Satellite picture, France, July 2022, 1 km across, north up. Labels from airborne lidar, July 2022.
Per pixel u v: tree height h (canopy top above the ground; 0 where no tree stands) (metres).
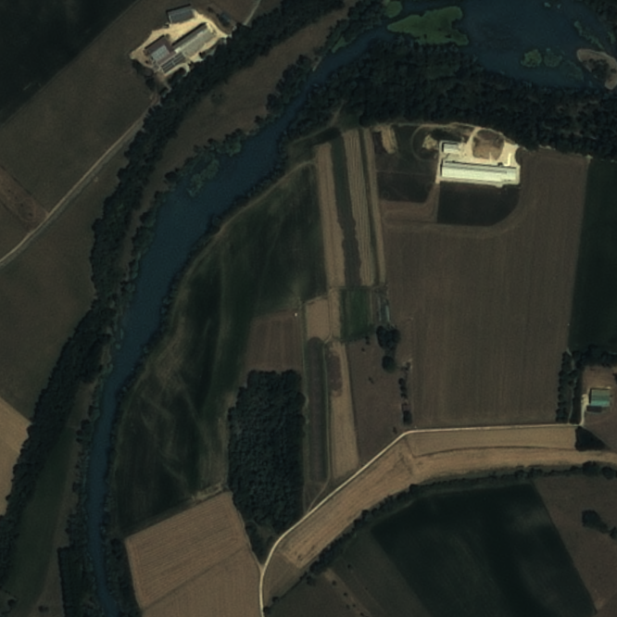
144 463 0
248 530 10
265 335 0
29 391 0
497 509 0
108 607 0
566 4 0
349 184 0
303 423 16
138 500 0
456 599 0
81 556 16
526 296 0
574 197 0
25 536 0
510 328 0
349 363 0
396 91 14
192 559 0
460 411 0
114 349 0
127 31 0
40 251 0
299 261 0
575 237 0
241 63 25
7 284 0
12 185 0
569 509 0
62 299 0
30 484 17
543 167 0
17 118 0
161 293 0
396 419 0
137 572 0
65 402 19
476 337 0
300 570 0
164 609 0
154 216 9
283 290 0
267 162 0
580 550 0
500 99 19
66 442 0
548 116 18
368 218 0
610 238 0
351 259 0
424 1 0
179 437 0
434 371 0
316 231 0
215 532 0
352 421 0
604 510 0
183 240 0
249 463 15
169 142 18
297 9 21
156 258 0
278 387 12
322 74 0
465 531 0
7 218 0
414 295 0
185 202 0
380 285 0
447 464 0
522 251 0
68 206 0
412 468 0
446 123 17
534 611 0
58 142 0
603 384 0
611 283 0
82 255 0
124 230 12
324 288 0
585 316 0
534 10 0
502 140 0
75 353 20
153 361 0
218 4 0
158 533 0
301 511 8
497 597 0
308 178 0
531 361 0
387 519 0
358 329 0
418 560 0
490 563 0
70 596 21
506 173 0
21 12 0
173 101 19
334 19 0
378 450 0
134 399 0
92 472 0
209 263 0
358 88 17
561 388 8
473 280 0
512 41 0
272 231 0
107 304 16
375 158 0
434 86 10
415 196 0
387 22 0
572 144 15
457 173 0
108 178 0
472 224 0
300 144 0
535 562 0
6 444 0
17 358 0
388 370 19
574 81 0
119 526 0
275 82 0
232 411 12
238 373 0
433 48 18
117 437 8
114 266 12
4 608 0
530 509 0
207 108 0
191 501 0
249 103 0
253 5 0
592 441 14
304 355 0
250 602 0
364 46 0
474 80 27
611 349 0
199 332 0
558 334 0
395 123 0
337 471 0
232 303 0
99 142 0
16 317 0
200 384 0
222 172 0
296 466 20
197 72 19
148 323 0
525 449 0
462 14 0
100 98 0
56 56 0
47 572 0
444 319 0
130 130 0
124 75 0
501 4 0
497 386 0
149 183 13
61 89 0
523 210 0
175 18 0
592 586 0
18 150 0
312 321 0
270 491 13
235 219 0
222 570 0
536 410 0
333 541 0
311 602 0
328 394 0
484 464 0
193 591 0
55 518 0
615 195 0
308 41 0
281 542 0
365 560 0
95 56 0
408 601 0
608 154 10
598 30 0
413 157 0
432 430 0
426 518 0
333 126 0
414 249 0
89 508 0
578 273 0
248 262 0
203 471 0
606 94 18
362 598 0
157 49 0
